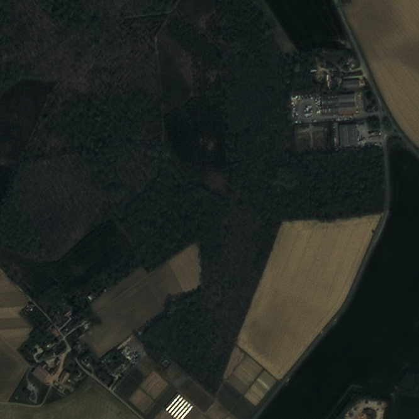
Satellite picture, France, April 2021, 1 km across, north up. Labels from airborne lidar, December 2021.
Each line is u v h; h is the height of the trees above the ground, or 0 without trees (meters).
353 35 0
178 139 6
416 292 0
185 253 0
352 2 0
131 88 16
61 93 7
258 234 24
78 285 5
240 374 0
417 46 0
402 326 0
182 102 11
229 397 0
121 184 31
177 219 22
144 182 25
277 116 22
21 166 16
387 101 0
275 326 0
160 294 0
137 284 0
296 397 0
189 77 10
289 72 15
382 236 0
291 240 0
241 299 19
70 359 0
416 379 21
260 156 23
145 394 0
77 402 0
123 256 8
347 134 0
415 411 0
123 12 22
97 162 25
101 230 6
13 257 9
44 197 22
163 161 24
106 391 0
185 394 0
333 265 0
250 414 0
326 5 0
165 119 7
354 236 0
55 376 0
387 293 0
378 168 19
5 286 0
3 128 0
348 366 0
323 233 0
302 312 0
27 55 23
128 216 27
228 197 26
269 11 0
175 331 25
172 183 27
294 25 0
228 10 24
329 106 0
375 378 0
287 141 17
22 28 16
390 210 0
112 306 0
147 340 22
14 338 0
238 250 25
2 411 0
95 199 26
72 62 19
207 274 19
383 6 0
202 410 0
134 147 25
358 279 0
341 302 0
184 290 0
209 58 6
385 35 0
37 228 25
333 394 0
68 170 23
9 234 24
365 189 16
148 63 17
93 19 26
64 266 7
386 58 0
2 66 23
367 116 0
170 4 22
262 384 0
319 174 18
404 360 0
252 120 26
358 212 10
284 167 26
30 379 0
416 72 0
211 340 14
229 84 23
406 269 0
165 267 0
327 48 8
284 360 0
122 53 10
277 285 0
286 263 0
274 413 0
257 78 24
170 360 11
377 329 0
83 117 17
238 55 23
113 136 18
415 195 0
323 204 16
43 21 23
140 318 0
